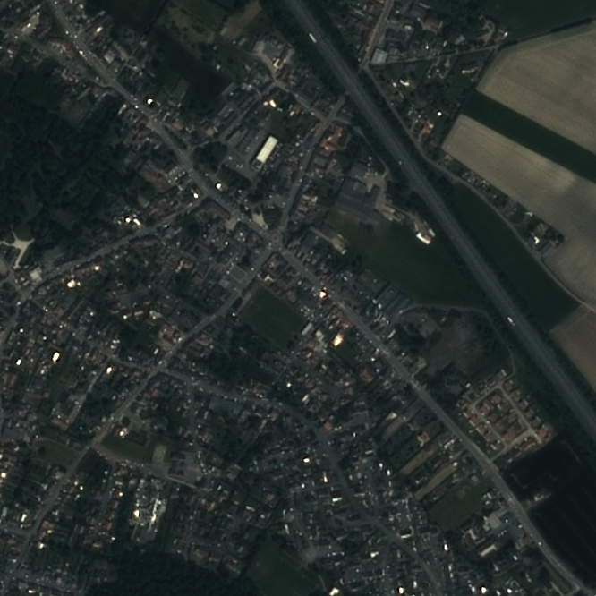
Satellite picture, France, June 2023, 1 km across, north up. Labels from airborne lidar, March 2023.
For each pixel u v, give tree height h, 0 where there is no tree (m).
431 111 0
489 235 0
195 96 0
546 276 0
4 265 0
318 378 0
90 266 0
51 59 0
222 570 11
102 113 13
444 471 0
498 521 0
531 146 0
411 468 0
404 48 10
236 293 0
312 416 11
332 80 14
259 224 0
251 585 14
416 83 0
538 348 0
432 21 0
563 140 0
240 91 6
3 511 0
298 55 0
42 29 0
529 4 0
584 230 0
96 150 17
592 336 0
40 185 28
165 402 6
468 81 0
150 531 0
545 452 0
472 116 0
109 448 0
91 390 0
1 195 26
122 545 17
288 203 0
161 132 0
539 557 15
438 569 0
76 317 0
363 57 7
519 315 0
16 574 0
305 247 0
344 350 0
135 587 27
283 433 12
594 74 0
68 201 17
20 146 23
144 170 0
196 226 10
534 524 0
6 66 0
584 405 0
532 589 0
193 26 0
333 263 8
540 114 0
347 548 11
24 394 0
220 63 6
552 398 7
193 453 0
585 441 10
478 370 0
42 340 0
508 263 0
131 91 7
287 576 0
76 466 0
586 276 0
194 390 0
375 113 0
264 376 0
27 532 0
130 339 11
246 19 0
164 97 0
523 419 0
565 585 0
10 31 0
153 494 0
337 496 0
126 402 0
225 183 0
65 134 21
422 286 0
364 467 0
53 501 0
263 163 0
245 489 14
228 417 7
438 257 0
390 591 0
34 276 0
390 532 0
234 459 7
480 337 0
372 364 7
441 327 0
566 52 0
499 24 7
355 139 11
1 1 0
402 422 0
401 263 0
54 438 0
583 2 0
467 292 0
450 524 0
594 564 0
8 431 0
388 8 0
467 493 0
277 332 0
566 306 0
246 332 12
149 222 8
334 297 0
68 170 24
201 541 0
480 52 0
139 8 0
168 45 0
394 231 0
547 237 8
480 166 0
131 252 8
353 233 0
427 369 0
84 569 6
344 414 13
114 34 12
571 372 8
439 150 0
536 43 0
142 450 0
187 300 8
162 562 20
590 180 0
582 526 0
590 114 0
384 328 0
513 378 0
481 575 8
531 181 0
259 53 0
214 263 0
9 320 0
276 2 16
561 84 0
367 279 0
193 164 0
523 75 0
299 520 0
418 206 17
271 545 0
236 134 0
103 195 17
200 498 0
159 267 12
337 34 24
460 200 0
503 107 0
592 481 0
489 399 0
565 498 0
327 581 0
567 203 0
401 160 0
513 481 0
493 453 0
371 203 0
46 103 0
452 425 0
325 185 0
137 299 0
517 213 0
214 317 0
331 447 0
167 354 0
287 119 7
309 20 0
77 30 0
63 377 0
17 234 0
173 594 27
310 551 0
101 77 0
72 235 14
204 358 6
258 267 0
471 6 16
